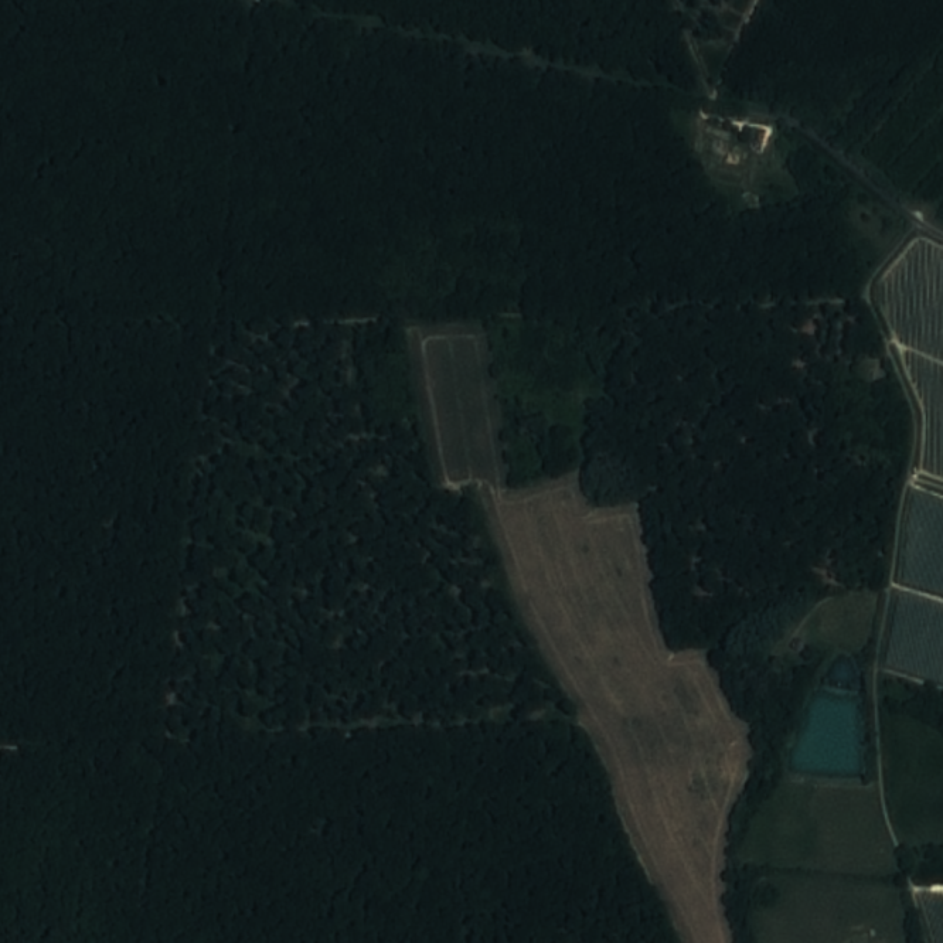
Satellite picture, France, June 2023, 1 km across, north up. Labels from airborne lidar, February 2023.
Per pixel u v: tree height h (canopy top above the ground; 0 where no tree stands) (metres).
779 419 27
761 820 0
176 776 27
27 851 20
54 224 27
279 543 30
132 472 27
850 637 0
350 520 29
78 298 28
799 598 25
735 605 27
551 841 28
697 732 0
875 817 0
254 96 27
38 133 28
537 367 17
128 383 31
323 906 23
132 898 19
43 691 26
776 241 31
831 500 28
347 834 27
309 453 29
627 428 30
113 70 26
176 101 27
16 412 30
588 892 29
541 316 19
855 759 0
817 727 0
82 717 23
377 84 23
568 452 18
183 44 29
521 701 27
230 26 28
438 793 28
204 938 26
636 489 27
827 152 6
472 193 29
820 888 0
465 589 27
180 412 31
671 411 31
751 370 30
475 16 24
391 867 25
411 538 30
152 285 30
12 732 19
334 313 28
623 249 29
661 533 26
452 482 0
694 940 0
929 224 0
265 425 29
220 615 28
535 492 0
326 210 30
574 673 0
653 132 29
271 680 31
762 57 13
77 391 30
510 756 26
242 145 28
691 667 0
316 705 30
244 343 31
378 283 23
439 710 31
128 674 24
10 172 29
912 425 10
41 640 26
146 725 23
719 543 31
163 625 27
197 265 29
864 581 23
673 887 0
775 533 29
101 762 25
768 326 30
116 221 28
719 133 0
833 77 9
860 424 19
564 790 28
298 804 28
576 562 0
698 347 30
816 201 18
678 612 26
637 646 0
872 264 11
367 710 27
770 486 30
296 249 30
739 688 26
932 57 8
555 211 28
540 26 26
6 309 28
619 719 0
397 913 28
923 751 0
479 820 26
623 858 25
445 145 27
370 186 26
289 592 30
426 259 21
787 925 0
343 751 27
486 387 0
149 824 22
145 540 29
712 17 29
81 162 27
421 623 32
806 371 22
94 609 26
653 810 0
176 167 27
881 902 0
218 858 27
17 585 22
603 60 26
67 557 25
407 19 25
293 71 25
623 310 21
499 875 26
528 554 0
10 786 21
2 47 28
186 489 29
